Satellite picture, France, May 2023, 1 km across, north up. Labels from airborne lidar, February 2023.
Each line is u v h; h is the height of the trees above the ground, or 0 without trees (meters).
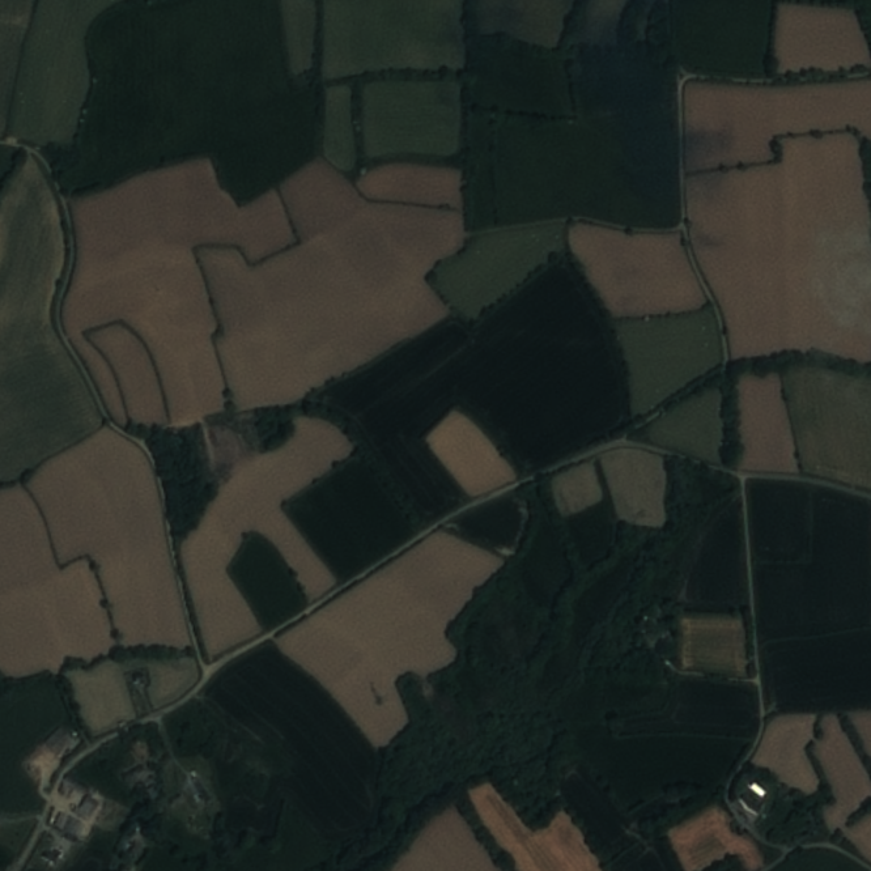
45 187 0
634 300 0
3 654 0
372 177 0
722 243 0
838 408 0
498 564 0
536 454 0
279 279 0
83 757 0
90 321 0
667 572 13
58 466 0
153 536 0
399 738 8
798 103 0
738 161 0
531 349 0
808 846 0
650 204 0
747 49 0
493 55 0
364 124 0
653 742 0
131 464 0
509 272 0
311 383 0
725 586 0
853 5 9
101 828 0
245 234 0
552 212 0
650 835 13
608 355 0
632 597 15
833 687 0
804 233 0
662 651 17
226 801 0
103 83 0
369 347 0
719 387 11
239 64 0
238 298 0
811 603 0
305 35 0
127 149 0
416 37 0
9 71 0
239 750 0
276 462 0
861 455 0
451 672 7
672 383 0
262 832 0
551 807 12
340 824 0
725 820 0
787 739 0
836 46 0
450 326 0
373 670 0
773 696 0
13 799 0
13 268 0
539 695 0
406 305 0
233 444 0
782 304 0
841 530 0
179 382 0
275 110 0
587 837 10
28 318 0
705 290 0
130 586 0
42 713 0
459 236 0
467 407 0
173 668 0
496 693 0
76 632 0
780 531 0
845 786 0
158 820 9
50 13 0
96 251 0
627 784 0
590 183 0
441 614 0
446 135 0
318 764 0
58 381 0
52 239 0
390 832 19
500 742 8
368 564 0
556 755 11
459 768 9
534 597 0
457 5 0
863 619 0
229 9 0
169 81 0
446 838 0
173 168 0
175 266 0
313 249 0
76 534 0
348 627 0
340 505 0
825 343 0
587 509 0
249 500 0
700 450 0
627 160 0
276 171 0
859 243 0
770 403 0
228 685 0
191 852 0
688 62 0
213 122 0
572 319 0
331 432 0
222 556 0
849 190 0
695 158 0
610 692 0
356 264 0
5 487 8
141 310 0
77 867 0
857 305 0
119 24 0
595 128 0
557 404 0
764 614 0
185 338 0
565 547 9
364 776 0
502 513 0
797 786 0
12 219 0
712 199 0
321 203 0
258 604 0
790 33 0
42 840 0
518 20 0
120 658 15
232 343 0
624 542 17
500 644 0
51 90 0
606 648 12
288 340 0
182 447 21
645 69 0
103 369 0
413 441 0
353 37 0
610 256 0
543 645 10
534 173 0
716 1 0
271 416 9
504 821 0
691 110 0
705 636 0
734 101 0
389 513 0
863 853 0
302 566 0
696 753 0
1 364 0
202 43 0
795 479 0
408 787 7
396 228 0
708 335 0
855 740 15
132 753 0
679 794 17
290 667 0
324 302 0
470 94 11
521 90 0
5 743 0
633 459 0
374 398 0
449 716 0
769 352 0
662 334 0
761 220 0
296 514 0
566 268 0
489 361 0
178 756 0
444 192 0
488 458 0
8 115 0
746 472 0
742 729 0
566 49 9
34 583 0
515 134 0
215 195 0
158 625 0
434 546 0
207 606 0
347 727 0
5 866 0
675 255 0
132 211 0
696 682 0
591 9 0
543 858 0
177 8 0
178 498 16
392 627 0
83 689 0
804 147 0
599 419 0
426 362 0
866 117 0
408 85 0
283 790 0
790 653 0
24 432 0
